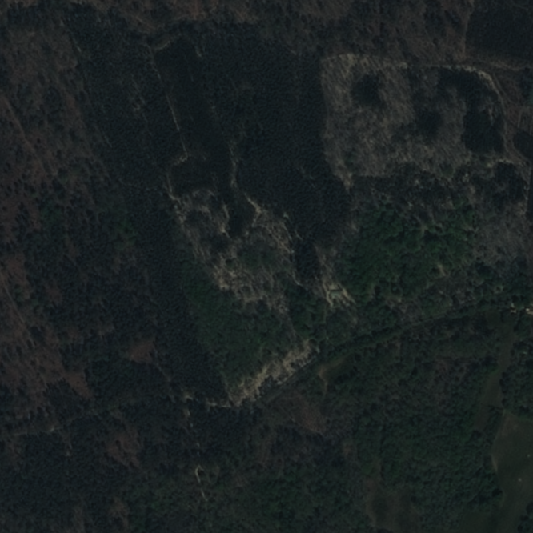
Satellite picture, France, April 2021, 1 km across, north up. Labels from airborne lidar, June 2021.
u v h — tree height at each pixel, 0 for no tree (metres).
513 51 9
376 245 22
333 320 16
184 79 10
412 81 10
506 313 18
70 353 22
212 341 18
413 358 21
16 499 19
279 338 18
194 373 22
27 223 15
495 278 18
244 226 9
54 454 17
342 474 19
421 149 10
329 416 8
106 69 22
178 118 9
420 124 9
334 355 17
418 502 19
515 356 16
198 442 21
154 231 21
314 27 11
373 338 6
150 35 16
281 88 22
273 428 13
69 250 18
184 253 21
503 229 16
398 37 8
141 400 16
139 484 20
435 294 18
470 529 0
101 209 16
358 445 21
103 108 22
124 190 22
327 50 14
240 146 7
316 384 16
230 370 18
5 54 11
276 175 19
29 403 11
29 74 12
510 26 9
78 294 19
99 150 21
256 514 21
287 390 7
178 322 21
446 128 17
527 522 16
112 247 25
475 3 7
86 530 13
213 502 15
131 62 19
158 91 19
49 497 23
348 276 19
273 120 20
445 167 13
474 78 8
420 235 22
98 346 22
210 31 20
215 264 9
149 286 21
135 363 11
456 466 18
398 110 16
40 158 17
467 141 10
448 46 12
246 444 13
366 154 13
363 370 18
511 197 7
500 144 8
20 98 10
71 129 16
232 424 20
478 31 10
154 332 23
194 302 17
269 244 10
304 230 21
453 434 21
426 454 23
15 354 14
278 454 26
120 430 24
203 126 10
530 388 20
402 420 22
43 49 17
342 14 15
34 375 8
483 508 17
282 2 19
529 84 7
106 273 20
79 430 20
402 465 12
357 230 15
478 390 17
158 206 21
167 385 22
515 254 19
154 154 18
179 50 11
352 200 23
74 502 14
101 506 26
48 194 23
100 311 19
